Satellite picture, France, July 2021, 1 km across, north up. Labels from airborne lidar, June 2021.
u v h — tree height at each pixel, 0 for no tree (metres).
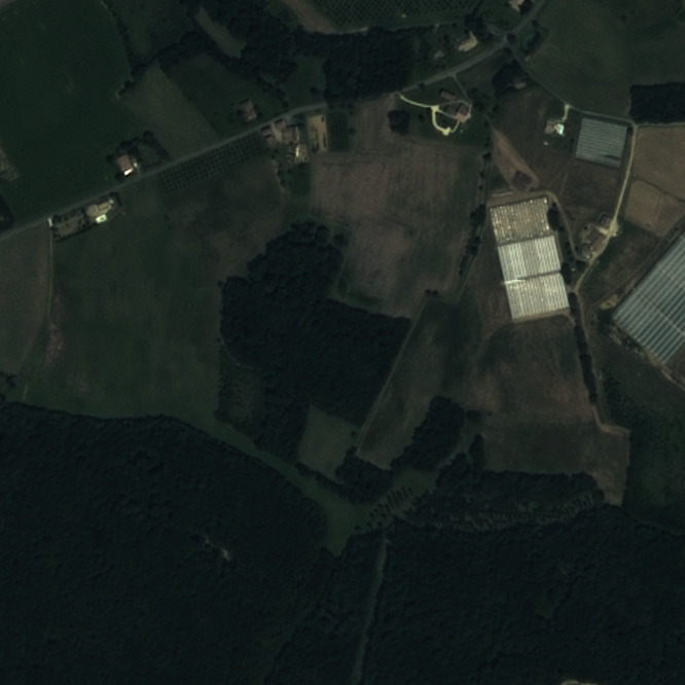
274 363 24
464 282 0
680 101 17
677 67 0
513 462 0
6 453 24
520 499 10
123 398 0
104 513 27
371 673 19
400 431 0
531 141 0
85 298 0
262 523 23
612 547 22
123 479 12
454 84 0
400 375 0
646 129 0
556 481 20
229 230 0
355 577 18
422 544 12
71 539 26
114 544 24
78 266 0
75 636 22
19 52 0
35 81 0
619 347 0
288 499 25
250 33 23
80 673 25
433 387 0
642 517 6
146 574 21
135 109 0
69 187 0
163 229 0
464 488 18
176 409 0
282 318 30
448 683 19
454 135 0
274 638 18
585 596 27
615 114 0
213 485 21
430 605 23
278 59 23
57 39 0
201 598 24
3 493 31
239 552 24
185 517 26
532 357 0
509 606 25
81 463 25
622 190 0
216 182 0
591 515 20
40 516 27
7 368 0
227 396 6
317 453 0
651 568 24
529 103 0
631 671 15
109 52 0
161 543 24
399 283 0
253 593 24
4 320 0
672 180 0
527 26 0
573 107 0
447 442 24
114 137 0
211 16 6
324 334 21
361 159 0
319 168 0
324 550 18
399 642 19
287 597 23
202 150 0
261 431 7
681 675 18
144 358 0
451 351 0
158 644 24
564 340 0
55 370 0
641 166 0
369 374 17
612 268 0
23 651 22
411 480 0
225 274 0
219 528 24
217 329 0
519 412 0
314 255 25
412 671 15
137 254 0
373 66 19
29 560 27
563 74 0
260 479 26
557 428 0
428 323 0
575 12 0
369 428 0
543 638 24
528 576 23
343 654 24
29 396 0
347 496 23
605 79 0
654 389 0
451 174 0
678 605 25
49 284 0
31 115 0
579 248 10
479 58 0
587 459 0
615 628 19
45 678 29
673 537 13
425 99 0
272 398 20
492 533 16
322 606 23
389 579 12
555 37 0
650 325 0
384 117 0
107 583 23
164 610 23
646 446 8
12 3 0
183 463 25
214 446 27
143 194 0
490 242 0
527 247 0
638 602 20
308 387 19
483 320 0
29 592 26
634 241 0
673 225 0
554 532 28
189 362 0
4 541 28
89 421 17
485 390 0
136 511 21
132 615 19
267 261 22
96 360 0
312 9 0
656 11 0
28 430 23
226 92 0
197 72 0
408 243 0
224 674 26
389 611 15
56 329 0
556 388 0
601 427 0
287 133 0
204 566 21
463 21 0
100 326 0
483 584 25
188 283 0
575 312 13
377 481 23
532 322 0
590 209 0
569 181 0
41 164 0
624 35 0
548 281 0
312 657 22
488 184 0
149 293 0
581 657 23
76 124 0
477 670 14
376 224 0
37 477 24
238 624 27
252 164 0
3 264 0
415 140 0
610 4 0
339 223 0
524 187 0
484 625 24
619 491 0
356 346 25
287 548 25
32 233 0
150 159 0
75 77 0
